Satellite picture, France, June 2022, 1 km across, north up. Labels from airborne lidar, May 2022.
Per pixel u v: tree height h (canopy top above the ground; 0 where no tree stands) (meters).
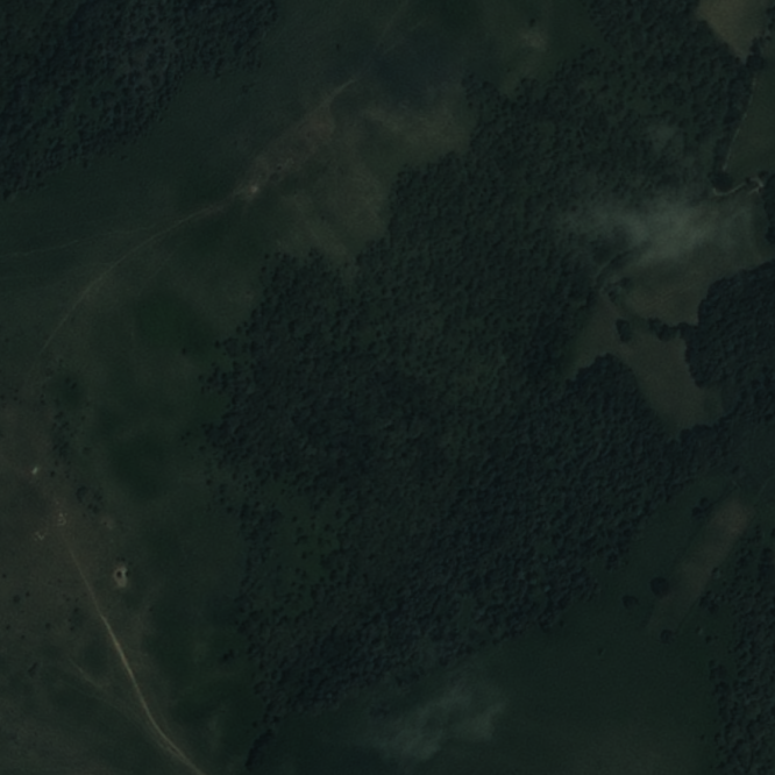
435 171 11
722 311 13
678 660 0
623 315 0
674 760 0
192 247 0
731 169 0
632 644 0
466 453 12
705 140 13
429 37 0
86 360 0
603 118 12
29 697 0
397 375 20
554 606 13
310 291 13
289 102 0
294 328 18
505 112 6
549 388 13
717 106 12
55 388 0
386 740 0
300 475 10
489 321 12
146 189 0
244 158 0
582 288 26
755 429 0
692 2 9
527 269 11
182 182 0
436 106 0
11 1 15
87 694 0
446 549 15
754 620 11
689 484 9
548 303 21
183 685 0
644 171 8
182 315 0
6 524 0
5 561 0
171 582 0
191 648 0
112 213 0
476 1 0
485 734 0
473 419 14
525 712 0
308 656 20
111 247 0
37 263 0
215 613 0
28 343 0
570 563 14
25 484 0
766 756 12
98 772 0
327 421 21
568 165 11
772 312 11
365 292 10
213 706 0
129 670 0
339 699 12
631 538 12
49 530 0
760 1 0
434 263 8
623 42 15
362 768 0
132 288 0
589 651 0
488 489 9
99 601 0
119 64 10
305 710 7
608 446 8
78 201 0
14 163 21
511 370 11
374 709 0
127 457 0
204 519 0
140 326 0
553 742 0
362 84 0
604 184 7
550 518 11
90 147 10
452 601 8
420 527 16
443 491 11
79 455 0
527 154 14
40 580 0
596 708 0
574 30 0
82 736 0
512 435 9
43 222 0
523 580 10
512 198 12
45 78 8
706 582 0
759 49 18
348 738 0
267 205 0
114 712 0
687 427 0
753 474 0
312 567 0
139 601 0
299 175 0
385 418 18
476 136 7
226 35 7
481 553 14
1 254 0
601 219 11
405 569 26
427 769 0
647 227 19
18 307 0
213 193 0
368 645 11
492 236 11
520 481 11
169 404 0
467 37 0
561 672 0
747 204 0
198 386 0
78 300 0
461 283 13
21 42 10
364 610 10
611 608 0
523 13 0
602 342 0
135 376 0
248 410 14
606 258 16
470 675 0
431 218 11
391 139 0
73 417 0
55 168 10
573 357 0
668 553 0
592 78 11
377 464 21
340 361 16
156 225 0
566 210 11
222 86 0
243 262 0
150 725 0
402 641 9
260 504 9
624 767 0
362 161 0
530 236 9
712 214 0
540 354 15
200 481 0
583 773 0
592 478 13
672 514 0
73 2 15
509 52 0
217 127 0
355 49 0
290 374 19
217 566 0
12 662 0
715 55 16
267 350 16
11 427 0
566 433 9
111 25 10
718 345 6
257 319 12
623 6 21
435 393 12
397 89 0
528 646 0
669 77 15
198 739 0
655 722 0
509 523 18
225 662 8
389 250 11
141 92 9
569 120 18
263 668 12
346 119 0
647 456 12
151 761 0
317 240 0
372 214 0
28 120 22
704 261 0
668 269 0
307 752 0
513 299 9
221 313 0
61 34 7
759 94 0
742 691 12
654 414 15
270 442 12
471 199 12
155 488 0
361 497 11
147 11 9
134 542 0
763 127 0
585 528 9
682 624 0
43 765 0
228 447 7
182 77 7
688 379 0
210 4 13
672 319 0
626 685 0
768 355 8
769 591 9
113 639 0
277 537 10
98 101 11
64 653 0
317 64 0
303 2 0
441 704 0
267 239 0
